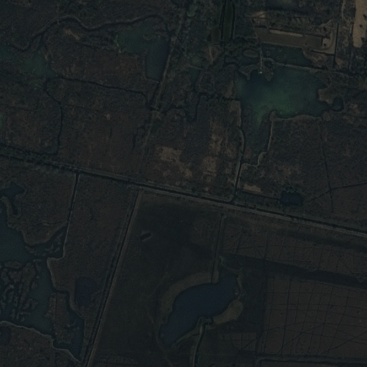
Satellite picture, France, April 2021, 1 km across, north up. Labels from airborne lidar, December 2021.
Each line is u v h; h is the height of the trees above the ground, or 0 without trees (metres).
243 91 0
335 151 0
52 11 0
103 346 0
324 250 0
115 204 0
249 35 7
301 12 9
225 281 0
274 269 0
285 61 0
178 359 0
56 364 0
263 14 0
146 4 0
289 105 0
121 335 0
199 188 8
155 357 0
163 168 0
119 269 0
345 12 6
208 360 0
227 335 0
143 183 0
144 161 0
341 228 0
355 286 0
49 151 6
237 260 0
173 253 0
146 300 0
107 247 0
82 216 0
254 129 0
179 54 16
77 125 7
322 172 0
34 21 0
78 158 0
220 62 11
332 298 0
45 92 7
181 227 0
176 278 0
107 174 0
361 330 0
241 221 0
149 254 0
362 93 11
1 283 0
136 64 0
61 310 0
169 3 7
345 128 6
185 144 0
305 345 0
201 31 5
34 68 0
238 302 0
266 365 0
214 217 0
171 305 0
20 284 0
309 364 0
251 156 0
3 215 0
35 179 0
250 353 0
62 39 6
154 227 0
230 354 0
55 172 9
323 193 0
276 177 0
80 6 6
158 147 0
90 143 0
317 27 5
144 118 0
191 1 23
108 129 0
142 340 0
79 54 0
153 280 0
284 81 0
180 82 9
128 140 0
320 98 0
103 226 0
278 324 0
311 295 0
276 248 0
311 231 0
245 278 0
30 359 0
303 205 8
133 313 0
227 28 0
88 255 0
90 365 0
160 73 0
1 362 0
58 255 0
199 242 0
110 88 8
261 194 0
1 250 0
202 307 0
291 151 0
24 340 0
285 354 0
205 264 0
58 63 0
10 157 6
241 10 7
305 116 0
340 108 0
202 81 7
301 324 0
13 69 9
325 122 6
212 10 13
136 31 0
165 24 0
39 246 0
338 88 8
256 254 0
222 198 0
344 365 0
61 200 0
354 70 10
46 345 0
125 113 0
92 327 0
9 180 0
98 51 0
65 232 0
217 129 0
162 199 0
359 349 0
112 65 0
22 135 0
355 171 0
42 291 0
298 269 0
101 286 5
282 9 13
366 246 0
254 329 0
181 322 0
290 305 0
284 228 0
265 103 0
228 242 0
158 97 0
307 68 0
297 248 0
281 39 0
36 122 0
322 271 0
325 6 6
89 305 0
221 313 0
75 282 0
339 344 0
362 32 0
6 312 0
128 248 0
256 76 0
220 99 10
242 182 12
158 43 0
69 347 0
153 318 0
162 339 0
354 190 0
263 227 0
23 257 0
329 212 0
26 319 0
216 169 0
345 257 0
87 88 11
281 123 6
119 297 0
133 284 0
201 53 7
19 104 6
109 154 0
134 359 0
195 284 0
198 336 0
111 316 0
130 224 0
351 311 0
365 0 0
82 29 0
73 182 0
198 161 0
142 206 0
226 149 9
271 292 0
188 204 0
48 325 0
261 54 0
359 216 0
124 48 0
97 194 0
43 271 0
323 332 0
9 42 0
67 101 5
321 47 0
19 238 0
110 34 12
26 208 6
